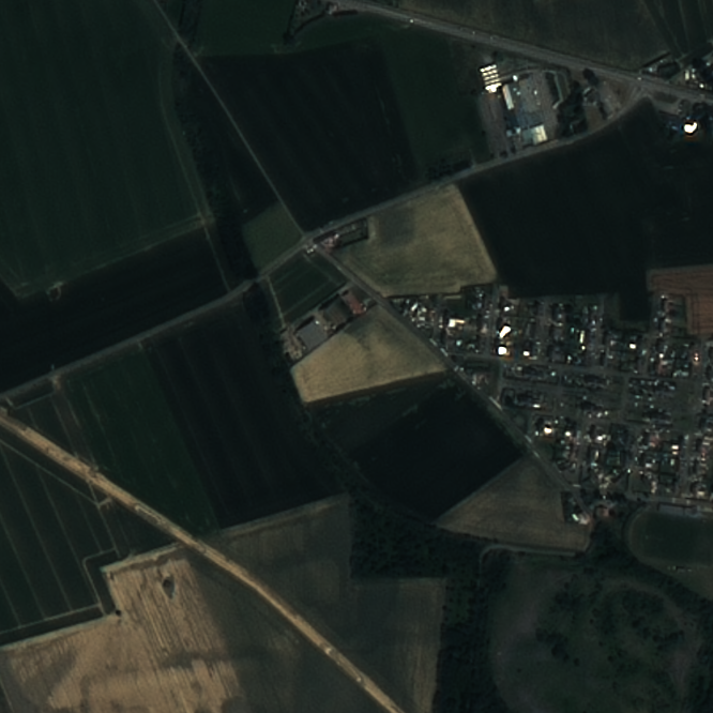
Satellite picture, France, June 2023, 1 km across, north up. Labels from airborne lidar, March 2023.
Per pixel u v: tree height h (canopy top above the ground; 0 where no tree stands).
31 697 0
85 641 0
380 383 0
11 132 0
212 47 0
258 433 0
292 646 0
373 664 0
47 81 0
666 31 0
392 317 0
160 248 0
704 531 0
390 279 0
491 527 0
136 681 0
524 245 0
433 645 0
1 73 0
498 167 0
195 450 0
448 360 0
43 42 0
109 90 0
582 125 9
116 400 0
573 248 0
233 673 0
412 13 0
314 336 0
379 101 0
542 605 0
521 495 0
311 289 0
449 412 0
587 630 0
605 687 0
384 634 0
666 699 0
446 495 0
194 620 0
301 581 0
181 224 0
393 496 0
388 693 0
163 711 0
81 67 0
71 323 0
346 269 0
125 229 0
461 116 0
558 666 0
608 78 0
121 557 0
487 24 0
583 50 0
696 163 0
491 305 0
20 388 0
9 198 0
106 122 0
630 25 0
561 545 0
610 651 0
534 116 0
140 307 0
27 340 0
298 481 0
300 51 0
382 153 0
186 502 0
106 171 0
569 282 0
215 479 0
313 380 0
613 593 0
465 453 0
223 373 0
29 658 0
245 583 0
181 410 0
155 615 0
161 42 0
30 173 0
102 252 0
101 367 0
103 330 0
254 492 0
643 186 0
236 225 12
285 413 0
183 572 0
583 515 0
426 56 0
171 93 0
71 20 0
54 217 0
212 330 0
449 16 0
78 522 0
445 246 0
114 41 0
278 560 0
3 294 0
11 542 0
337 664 0
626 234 0
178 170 0
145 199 0
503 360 0
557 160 0
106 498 0
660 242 0
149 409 0
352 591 0
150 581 0
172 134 0
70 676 0
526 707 0
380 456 0
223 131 0
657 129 0
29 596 0
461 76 0
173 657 0
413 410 0
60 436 0
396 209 0
